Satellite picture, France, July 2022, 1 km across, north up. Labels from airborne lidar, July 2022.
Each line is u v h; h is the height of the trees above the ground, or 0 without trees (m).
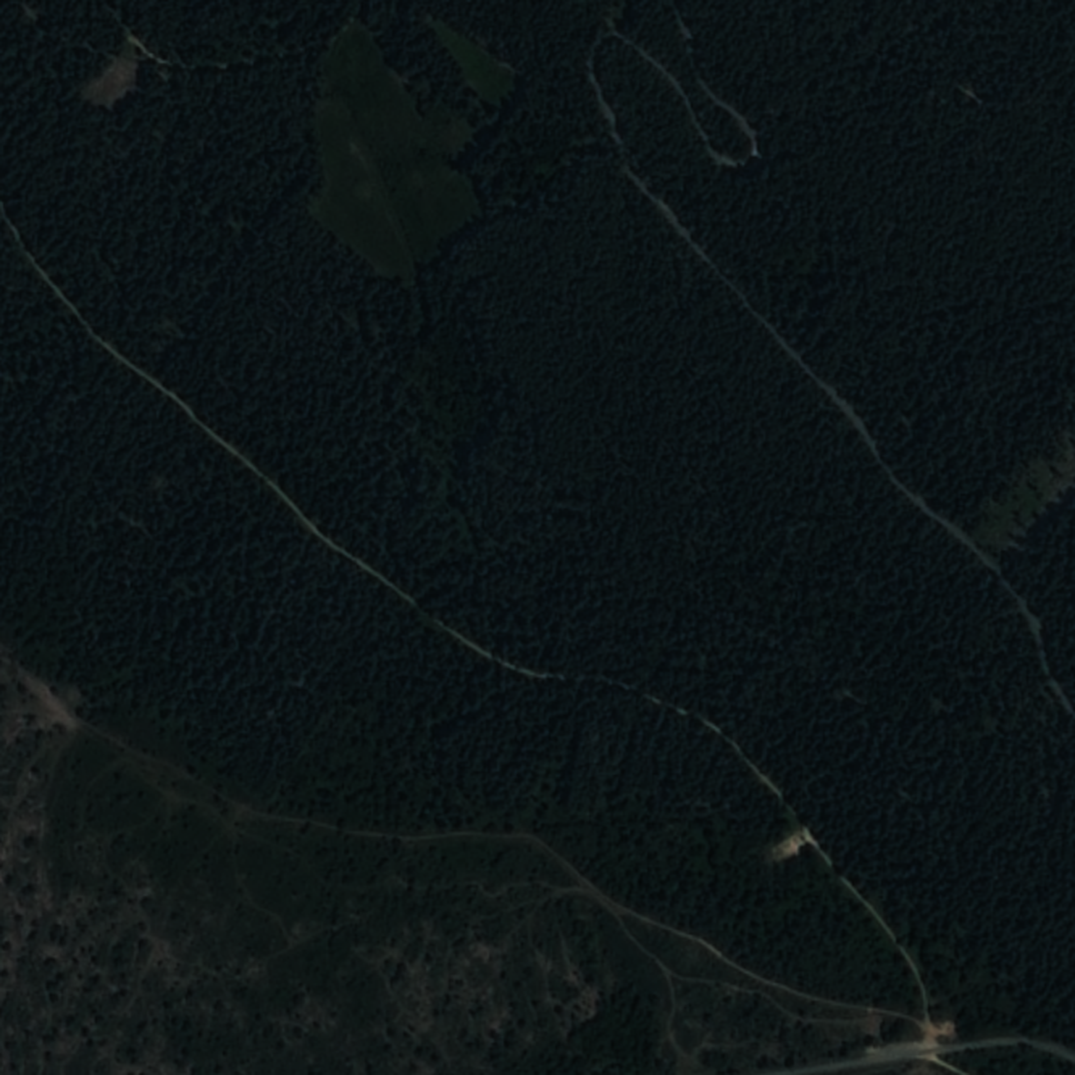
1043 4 26
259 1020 9
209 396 23
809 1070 0
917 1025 0
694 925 15
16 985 0
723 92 23
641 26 26
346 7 29
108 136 26
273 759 21
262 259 25
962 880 23
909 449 23
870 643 16
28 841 10
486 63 0
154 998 0
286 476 21
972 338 22
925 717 20
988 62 27
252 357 18
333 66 0
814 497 30
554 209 25
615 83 16
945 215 27
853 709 22
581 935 12
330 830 0
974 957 19
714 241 30
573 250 20
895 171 26
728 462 20
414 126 0
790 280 30
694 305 23
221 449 16
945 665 24
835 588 23
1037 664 14
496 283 25
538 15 21
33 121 25
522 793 24
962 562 27
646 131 21
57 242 25
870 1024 0
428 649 27
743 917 16
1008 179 23
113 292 24
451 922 8
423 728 23
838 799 27
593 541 22
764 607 18
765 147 28
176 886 0
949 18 29
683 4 25
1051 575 23
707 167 23
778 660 28
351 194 0
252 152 16
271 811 7
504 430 25
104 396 23
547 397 26
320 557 27
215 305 21
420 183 0
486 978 0
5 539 18
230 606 19
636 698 22
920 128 23
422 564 27
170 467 17
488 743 23
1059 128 21
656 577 20
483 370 9
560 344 20
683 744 22
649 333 22
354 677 22
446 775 19
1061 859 24
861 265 26
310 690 23
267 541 16
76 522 21
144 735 0
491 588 27
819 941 11
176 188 28
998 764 25
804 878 7
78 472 30
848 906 9
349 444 13
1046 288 24
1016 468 24
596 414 22
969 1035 11
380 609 13
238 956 0
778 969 10
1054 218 20
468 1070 0
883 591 25
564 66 16
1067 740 24
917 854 24
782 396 22
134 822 0
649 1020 10
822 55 26
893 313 22
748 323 23
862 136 25
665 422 22
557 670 21
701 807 17
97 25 20
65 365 26
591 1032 12
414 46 30
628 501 23
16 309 24
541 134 10
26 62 24
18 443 25
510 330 29
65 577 20
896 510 23
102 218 30
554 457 25
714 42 22
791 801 20
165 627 20
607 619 20
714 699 25
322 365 22
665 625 20
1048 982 21
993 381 27
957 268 25
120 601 22
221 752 13
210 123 23
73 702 0
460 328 14
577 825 7
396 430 23
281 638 24
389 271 0
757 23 25
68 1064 0
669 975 0
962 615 24
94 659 14
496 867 8
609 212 22
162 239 24
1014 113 25
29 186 26
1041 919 24
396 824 6
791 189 26
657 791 10
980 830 25
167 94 25
